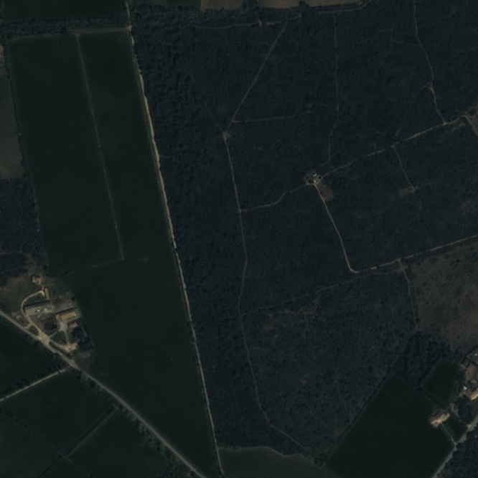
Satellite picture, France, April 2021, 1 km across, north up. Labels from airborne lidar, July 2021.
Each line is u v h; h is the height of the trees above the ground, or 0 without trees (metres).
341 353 11
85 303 0
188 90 13
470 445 13
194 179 13
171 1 0
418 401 0
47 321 0
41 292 0
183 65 10
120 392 0
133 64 0
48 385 0
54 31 7
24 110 0
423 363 17
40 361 0
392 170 0
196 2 0
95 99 0
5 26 7
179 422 0
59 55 0
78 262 0
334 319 6
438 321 0
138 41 7
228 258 6
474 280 0
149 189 0
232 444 8
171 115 8
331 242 6
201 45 10
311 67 5
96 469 0
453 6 0
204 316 5
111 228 0
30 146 0
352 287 6
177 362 0
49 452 0
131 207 0
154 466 0
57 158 0
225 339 16
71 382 0
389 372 10
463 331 0
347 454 0
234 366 6
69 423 0
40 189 0
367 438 0
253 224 7
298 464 0
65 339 0
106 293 0
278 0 0
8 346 0
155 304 0
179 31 11
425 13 6
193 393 0
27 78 0
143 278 0
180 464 11
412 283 0
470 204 0
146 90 6
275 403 7
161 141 6
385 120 7
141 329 0
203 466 0
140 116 0
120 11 0
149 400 0
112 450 0
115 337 0
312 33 12
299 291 0
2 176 0
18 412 0
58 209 0
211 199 6
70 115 0
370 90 7
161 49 15
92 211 0
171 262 0
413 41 7
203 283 13
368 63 8
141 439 0
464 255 0
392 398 0
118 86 0
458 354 9
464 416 12
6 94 0
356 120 6
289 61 5
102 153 0
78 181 0
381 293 0
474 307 0
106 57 0
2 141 0
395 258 0
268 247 6
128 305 0
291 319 0
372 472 0
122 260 0
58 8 0
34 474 0
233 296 7
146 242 0
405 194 0
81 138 0
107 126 0
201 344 5
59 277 0
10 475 0
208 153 7
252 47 10
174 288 0
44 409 0
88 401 0
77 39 0
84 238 0
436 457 0
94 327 0
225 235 10
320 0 0
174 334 0
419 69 5
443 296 0
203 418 0
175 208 6
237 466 0
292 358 0
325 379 5
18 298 0
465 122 0
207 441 0
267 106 6
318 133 6
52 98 0
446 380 0
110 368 0
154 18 10
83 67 0
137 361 0
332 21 5
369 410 0
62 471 0
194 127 10
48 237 0
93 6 0
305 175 7
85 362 0
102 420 6
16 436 0
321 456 6
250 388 12
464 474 8
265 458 0
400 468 0
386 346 7
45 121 0
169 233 0
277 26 5
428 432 0
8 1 0
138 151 0
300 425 6
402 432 0
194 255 6
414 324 6
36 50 0
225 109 0
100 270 0
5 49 7
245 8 8
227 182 6
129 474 0
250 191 6
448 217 0
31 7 0
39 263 8
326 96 8
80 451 0
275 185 6
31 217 6
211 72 6
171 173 8
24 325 0
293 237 6
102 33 0
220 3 0
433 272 0
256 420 7
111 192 0
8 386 0
